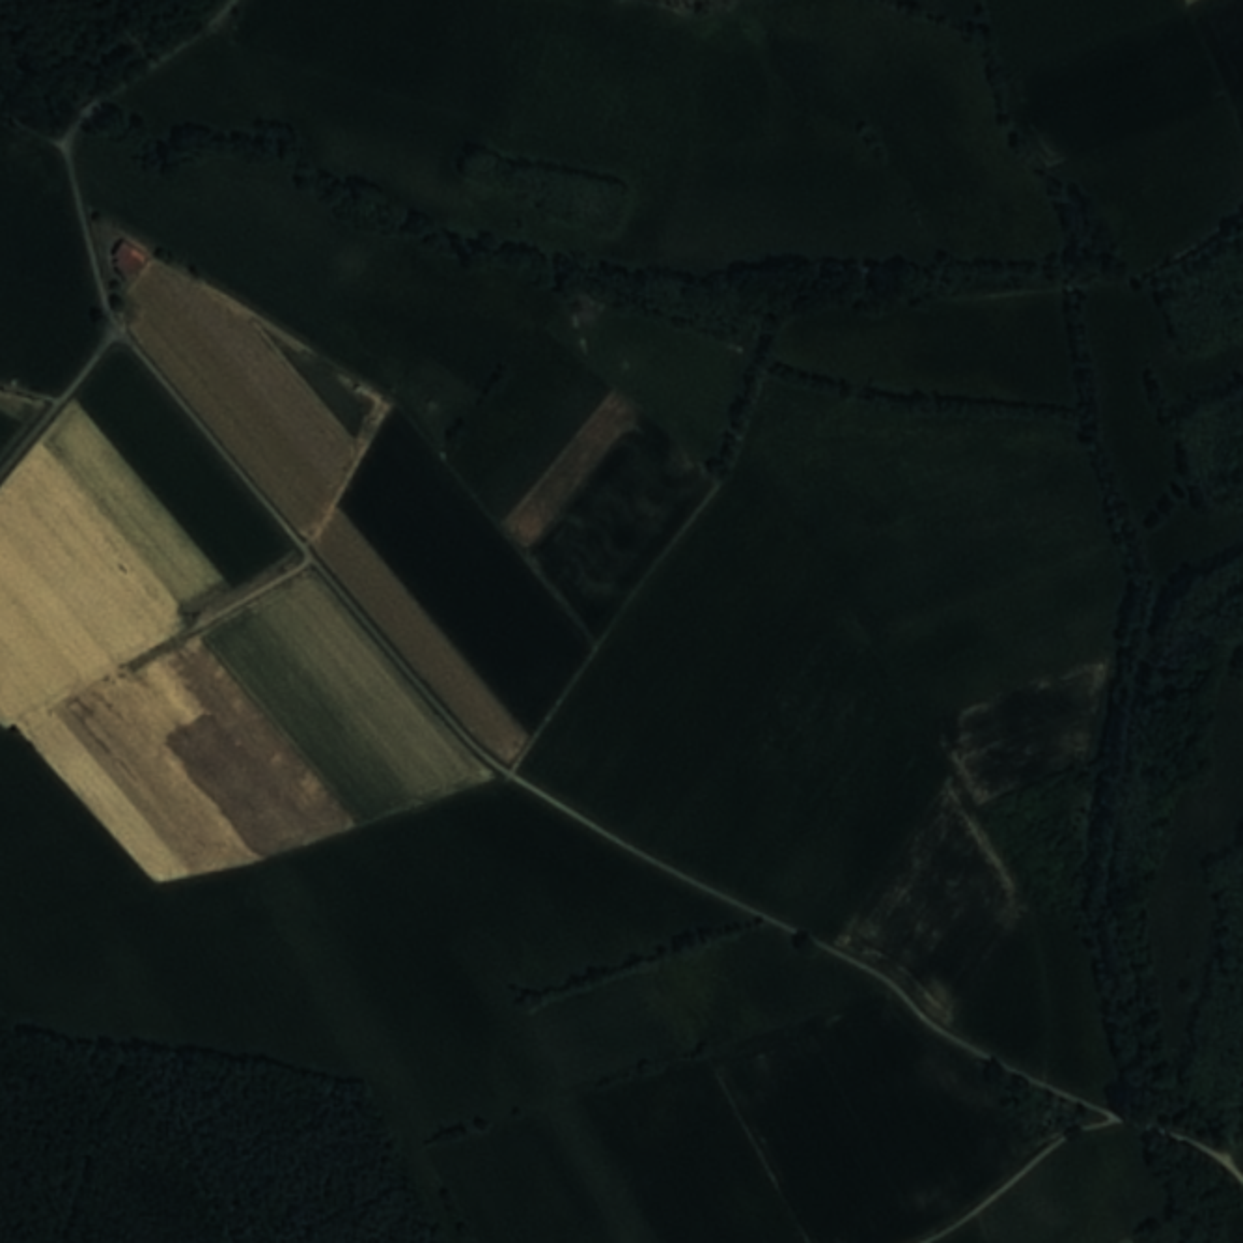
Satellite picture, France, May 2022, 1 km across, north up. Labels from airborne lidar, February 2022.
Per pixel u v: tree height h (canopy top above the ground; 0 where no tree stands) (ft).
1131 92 0
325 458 0
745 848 0
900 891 0
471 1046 0
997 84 44
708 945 37
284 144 58
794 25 0
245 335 0
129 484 0
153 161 67
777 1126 0
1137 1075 63
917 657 0
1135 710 59
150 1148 47
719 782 0
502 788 0
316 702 0
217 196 0
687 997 0
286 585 0
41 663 0
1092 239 98
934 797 0
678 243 0
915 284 58
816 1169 0
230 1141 67
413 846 0
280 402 0
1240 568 47
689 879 0
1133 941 53
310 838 0
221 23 0
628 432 0
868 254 0
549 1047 0
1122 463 0
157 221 0
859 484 0
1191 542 0
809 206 0
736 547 0
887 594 0
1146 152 0
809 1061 0
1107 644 0
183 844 0
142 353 0
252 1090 51
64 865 0
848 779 0
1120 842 78
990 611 0
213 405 0
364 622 0
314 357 0
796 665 0
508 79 0
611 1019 0
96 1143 58
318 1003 0
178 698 0
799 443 0
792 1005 0
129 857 0
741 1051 0
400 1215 57
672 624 0
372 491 0
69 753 0
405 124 0
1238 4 0
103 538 0
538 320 0
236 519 0
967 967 0
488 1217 0
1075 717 0
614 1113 0
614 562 0
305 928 0
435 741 0
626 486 0
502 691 0
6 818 0
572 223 54
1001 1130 0
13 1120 56
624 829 0
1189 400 0
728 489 0
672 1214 0
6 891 0
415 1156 0
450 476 0
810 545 0
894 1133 0
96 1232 47
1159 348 0
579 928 0
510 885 0
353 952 0
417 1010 0
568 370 0
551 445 0
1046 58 0
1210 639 57
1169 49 0
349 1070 0
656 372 0
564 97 0
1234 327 68
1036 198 0
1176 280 43
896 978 0
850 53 0
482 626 0
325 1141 59
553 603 0
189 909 0
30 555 0
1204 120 0
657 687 0
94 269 0
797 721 0
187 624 0
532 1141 0
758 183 0
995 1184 0
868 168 0
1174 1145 55
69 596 0
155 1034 0
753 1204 0
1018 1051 0
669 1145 0
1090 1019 0
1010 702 0
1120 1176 0
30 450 0
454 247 60
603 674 0
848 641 0
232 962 0
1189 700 55
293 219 0
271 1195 63
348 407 0
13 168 0
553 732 0
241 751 0
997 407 40
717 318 67
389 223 56
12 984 0
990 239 0
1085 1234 0
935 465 0
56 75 99
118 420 0
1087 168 0
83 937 0
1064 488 0
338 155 0
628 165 0
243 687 0
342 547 0
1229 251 50
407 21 0
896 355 0
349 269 0
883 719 0
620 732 0
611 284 62
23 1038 48
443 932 0
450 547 0
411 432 0
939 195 0
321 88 0
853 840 0
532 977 0
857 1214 0
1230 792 0
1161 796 58
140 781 0
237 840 0
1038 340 0
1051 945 0
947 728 0
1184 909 0
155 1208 48
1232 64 0
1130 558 45
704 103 0
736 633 0
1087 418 41
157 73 0
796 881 0
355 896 0
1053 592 0
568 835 0
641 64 0
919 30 0
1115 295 0
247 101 0
